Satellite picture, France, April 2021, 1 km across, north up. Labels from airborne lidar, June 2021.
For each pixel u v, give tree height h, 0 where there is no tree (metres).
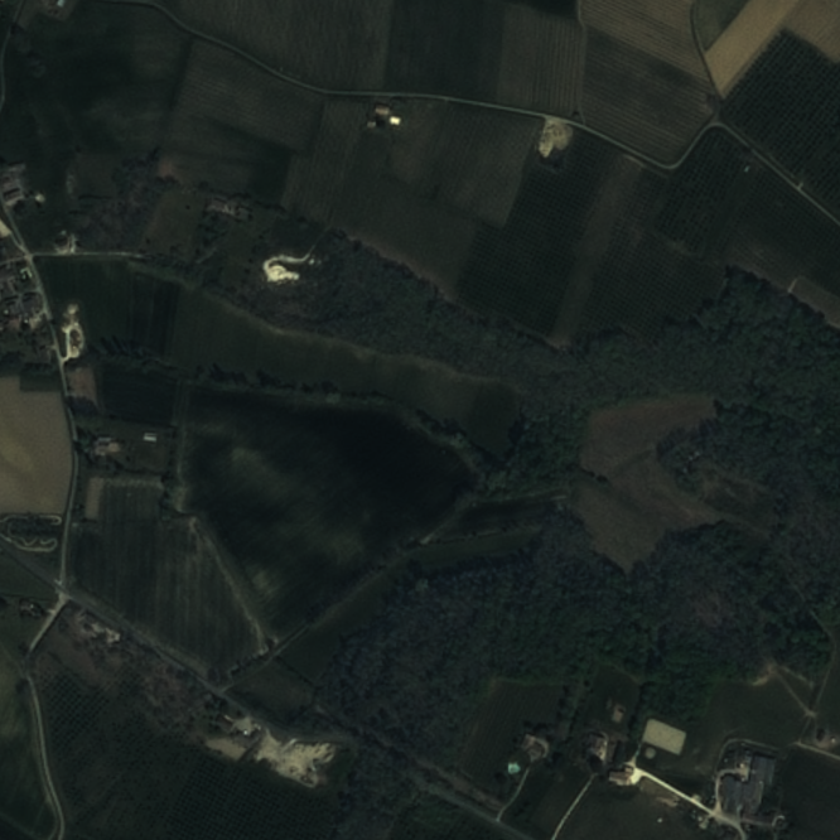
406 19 0
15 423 0
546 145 0
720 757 0
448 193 0
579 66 0
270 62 0
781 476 16
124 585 0
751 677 18
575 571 22
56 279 0
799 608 23
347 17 0
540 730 8
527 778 0
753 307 19
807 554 22
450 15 0
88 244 19
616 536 0
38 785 0
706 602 13
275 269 0
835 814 0
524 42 0
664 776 0
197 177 0
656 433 0
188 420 0
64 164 0
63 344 0
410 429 0
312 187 0
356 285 15
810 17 0
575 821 0
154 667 8
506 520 0
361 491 0
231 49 0
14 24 0
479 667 21
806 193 0
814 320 25
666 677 20
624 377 16
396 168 0
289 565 0
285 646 0
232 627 0
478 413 0
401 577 0
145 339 0
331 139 0
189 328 0
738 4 0
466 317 17
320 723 14
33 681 16
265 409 0
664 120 0
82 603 0
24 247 0
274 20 0
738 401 24
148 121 0
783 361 17
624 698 0
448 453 0
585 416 12
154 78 0
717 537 12
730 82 0
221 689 13
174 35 0
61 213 0
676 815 0
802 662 18
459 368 18
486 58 0
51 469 0
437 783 23
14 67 0
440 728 19
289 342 0
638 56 0
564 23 0
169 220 0
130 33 0
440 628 21
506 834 0
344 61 0
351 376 0
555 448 22
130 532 0
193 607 0
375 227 0
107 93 0
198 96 0
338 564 0
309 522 0
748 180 0
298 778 0
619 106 0
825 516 19
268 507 0
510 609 22
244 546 0
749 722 0
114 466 12
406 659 19
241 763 0
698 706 19
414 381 0
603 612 26
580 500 0
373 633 8
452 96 0
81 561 0
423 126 0
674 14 0
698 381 21
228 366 0
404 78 0
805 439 30
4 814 0
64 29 0
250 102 0
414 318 18
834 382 24
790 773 0
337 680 10
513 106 0
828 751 0
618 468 0
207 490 0
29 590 0
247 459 0
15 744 0
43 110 0
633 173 0
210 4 0
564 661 25
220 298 18
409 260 0
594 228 0
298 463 0
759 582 13
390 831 18
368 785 20
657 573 19
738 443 23
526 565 14
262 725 0
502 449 0
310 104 0
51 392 0
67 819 0
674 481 13
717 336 20
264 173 0
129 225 13
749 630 18
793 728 0
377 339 15
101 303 0
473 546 0
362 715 22
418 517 0
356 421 0
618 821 0
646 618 28
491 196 0
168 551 0
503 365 19
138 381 0
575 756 0
